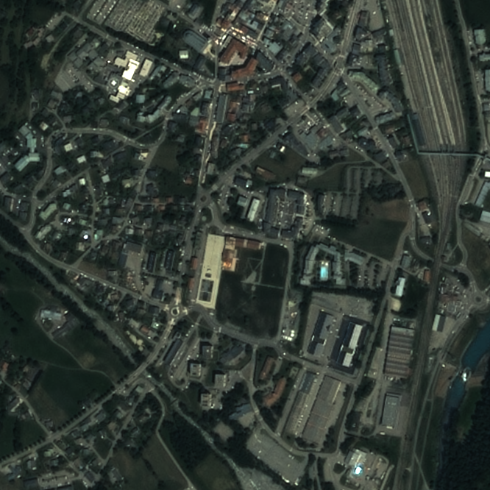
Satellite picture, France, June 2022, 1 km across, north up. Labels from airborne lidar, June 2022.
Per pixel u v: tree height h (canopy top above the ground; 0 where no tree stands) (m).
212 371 0
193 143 12
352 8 0
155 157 0
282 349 0
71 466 0
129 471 0
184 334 9
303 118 9
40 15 0
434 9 0
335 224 14
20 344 0
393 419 0
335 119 0
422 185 0
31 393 14
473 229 0
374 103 0
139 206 0
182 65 13
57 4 15
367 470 0
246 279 0
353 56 0
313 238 0
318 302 0
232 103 0
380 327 6
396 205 0
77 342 0
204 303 0
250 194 0
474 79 0
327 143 0
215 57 0
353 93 0
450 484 24
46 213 0
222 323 0
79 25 12
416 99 0
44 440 12
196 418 21
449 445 27
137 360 24
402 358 0
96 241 0
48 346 0
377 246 0
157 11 0
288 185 0
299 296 0
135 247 0
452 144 0
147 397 7
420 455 0
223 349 8
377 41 0
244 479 0
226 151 8
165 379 0
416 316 7
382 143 0
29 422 0
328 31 0
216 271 0
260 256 0
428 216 0
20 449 14
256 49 0
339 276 0
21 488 0
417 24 0
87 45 0
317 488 10
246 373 0
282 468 0
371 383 8
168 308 0
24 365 13
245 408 0
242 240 0
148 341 0
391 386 0
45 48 7
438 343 0
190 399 0
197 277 0
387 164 0
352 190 6
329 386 0
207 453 14
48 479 0
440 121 0
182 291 0
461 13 0
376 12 0
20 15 11
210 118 0
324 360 0
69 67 0
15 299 0
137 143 0
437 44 0
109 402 12
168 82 0
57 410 0
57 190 0
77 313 11
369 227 0
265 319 0
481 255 0
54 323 0
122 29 0
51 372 0
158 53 17
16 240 22
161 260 6
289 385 7
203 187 9
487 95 7
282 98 9
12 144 8
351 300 0
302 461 0
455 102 0
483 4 0
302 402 0
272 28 0
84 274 0
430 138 0
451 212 0
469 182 0
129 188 6
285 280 0
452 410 0
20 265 21
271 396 0
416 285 0
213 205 0
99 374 0
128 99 8
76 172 7
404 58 0
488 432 19
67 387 0
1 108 15
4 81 0
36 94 0
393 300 0
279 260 0
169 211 7
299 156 0
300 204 0
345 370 0
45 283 20
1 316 0
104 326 0
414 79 0
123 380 12
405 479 7
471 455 34
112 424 0
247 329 0
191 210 8
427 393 0
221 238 0
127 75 0
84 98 16
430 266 9
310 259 0
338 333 0
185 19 0
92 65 0
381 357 0
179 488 0
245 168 9
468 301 0
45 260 0
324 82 7
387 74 0
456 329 0
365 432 6
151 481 0
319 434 0
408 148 7
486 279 0
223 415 25
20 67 15
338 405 0
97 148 8
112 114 0
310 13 0
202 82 0
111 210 9
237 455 11
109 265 10
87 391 0
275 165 0
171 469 0
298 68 10
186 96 0
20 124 9
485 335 0
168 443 9
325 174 0
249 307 0
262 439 0
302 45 0
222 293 0
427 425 0
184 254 0
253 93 0
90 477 0
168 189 0
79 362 0
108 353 0
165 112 0
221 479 0
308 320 0
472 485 24
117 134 0
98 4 0
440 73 0
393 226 0
